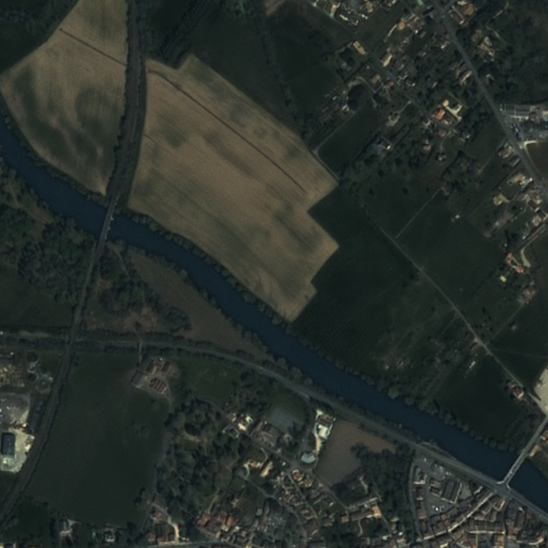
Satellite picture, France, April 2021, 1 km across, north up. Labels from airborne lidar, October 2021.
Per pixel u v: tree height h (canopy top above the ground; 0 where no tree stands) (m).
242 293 6
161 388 0
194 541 19
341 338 10
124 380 0
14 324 0
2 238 27
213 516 0
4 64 10
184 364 0
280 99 0
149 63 0
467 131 10
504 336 0
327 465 0
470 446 0
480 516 0
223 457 18
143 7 21
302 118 15
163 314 16
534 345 0
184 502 16
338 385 0
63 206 0
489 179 0
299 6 0
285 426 0
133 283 11
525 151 0
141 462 0
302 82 0
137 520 0
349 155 0
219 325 0
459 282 0
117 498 0
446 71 7
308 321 10
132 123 0
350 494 28
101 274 11
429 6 10
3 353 0
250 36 0
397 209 0
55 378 6
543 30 0
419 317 0
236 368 11
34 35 18
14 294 0
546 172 0
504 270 11
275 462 11
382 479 24
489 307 0
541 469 0
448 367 12
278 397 0
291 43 0
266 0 0
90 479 0
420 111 0
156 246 0
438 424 0
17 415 0
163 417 0
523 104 7
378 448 0
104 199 9
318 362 0
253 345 15
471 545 0
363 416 12
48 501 0
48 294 17
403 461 17
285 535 12
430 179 0
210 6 9
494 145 0
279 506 8
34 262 25
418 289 0
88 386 0
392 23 0
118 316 12
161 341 16
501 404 0
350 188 12
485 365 0
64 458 0
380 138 10
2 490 0
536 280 9
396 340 0
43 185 0
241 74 0
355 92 13
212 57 0
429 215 0
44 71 0
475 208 0
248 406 12
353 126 0
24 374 0
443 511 0
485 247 0
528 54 0
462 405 0
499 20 8
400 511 24
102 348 19
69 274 18
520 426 10
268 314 8
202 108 0
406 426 0
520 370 0
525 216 0
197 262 0
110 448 0
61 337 15
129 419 0
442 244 0
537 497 0
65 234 26
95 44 0
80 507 0
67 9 12
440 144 0
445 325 0
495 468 0
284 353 0
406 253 0
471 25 6
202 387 0
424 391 10
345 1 6
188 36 6
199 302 0
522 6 16
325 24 0
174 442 9
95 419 0
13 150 0
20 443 0
